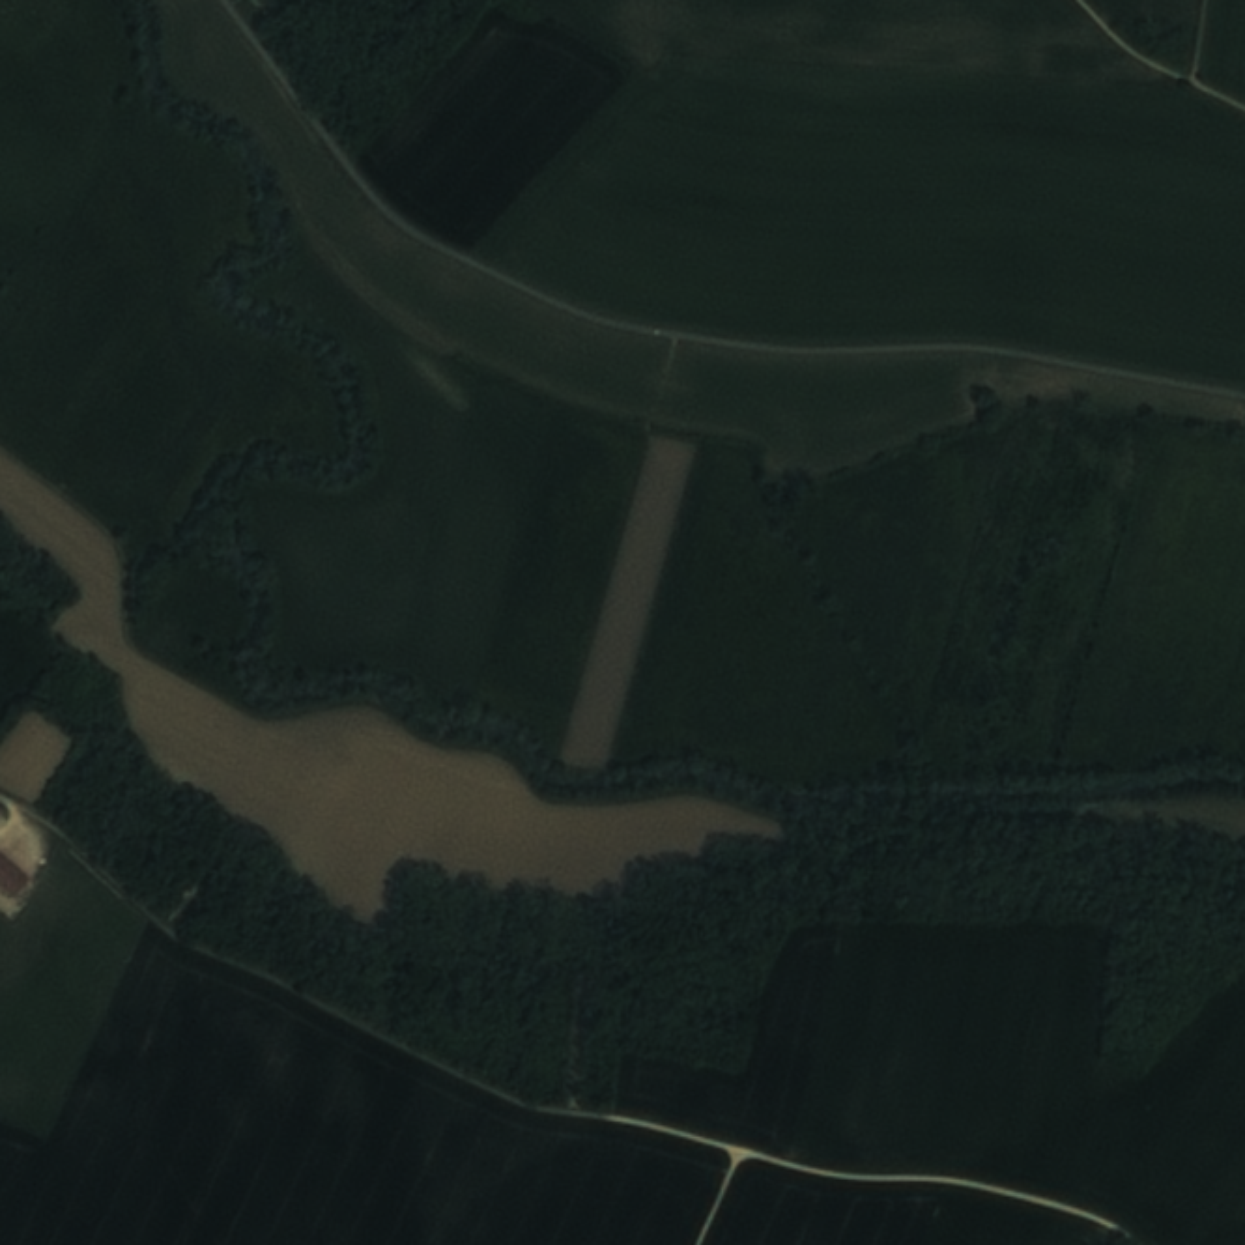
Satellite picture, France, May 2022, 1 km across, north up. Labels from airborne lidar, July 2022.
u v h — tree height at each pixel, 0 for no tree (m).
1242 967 15
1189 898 21
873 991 0
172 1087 0
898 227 0
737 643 0
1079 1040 0
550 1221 0
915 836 19
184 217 0
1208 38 0
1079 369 0
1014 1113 0
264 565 18
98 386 0
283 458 18
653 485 0
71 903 0
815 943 0
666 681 0
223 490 23
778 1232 0
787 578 0
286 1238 0
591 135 0
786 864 30
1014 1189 0
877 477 0
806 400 0
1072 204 0
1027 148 0
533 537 0
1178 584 0
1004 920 15
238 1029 0
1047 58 0
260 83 0
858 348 0
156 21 7
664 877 25
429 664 0
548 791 13
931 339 0
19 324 0
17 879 0
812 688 0
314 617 0
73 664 7
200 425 0
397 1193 0
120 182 0
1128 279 0
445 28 19
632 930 28
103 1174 0
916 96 0
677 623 0
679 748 0
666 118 0
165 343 0
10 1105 0
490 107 0
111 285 0
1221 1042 0
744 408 0
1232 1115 0
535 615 0
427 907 23
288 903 26
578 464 0
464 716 22
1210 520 0
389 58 20
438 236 0
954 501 0
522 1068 18
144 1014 0
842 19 0
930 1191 0
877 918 18
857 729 0
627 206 0
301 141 0
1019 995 0
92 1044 0
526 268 0
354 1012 19
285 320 20
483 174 0
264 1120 0
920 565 0
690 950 16
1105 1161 0
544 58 0
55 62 0
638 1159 0
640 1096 0
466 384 0
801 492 29
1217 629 0
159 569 20
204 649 9
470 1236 0
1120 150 0
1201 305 0
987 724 8
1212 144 0
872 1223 0
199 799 18
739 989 17
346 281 0
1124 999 11
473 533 0
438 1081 0
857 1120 0
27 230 0
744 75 0
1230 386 0
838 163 0
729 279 0
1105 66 0
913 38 0
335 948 23
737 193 0
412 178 0
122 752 20
